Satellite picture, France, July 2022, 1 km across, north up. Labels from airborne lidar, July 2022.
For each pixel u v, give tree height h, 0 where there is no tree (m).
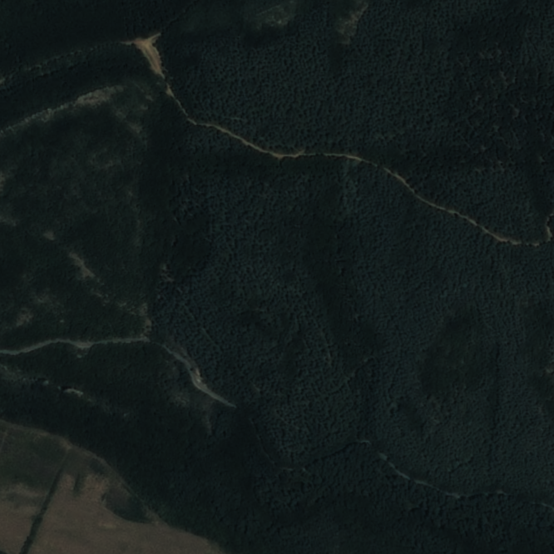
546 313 17
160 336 18
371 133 21
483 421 28
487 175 23
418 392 17
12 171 8
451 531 28
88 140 6
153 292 19
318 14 16
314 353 22
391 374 29
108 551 0
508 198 19
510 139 18
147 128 8
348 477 36
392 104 20
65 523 0
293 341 13
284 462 18
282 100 23
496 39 20
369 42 16
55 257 12
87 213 9
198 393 6
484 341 21
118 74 14
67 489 0
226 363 23
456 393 10
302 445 22
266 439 13
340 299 25
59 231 9
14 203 8
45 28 20
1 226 11
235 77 21
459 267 25
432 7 16
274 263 21
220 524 19
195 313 24
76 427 17
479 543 26
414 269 20
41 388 7
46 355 14
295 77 18
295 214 18
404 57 19
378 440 30
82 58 13
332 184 21
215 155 22
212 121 24
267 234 17
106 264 9
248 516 25
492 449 26
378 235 22
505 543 30
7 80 12
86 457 0
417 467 26
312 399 23
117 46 9
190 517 10
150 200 20
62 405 8
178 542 0
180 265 15
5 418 8
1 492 0
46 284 10
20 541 0
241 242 20
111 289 8
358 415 30
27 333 14
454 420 20
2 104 19
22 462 0
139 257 10
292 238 17
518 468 26
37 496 0
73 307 13
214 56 18
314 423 21
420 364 13
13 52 16
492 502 36
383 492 30
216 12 6
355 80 15
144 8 19
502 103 20
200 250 21
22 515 0
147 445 12
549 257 24
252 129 20
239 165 17
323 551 7
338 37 10
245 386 18
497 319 27
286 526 20
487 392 22
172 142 22
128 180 11
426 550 16
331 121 21
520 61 21
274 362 19
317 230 22
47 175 10
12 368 7
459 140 17
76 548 0
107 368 22
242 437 26
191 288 24
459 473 22
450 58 18
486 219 17
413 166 18
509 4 16
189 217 22
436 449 19
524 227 20
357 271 19
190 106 16
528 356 7
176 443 16
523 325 16
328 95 19
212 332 21
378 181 20
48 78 19
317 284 18
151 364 22
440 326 18
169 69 16
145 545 0
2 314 7
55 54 9
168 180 23
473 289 16
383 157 13
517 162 18
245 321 13
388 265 15
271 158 19
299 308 21
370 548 11
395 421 21
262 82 16
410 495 34
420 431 14
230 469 27
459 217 25
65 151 8
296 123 19
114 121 9
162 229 21
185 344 22
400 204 17
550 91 18
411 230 18
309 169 19
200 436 20
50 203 8
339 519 10
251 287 17
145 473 16
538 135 22
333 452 26
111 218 9
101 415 20
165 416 22
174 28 14
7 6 17
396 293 24
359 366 23
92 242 9
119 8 19
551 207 23
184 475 26
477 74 18
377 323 26
